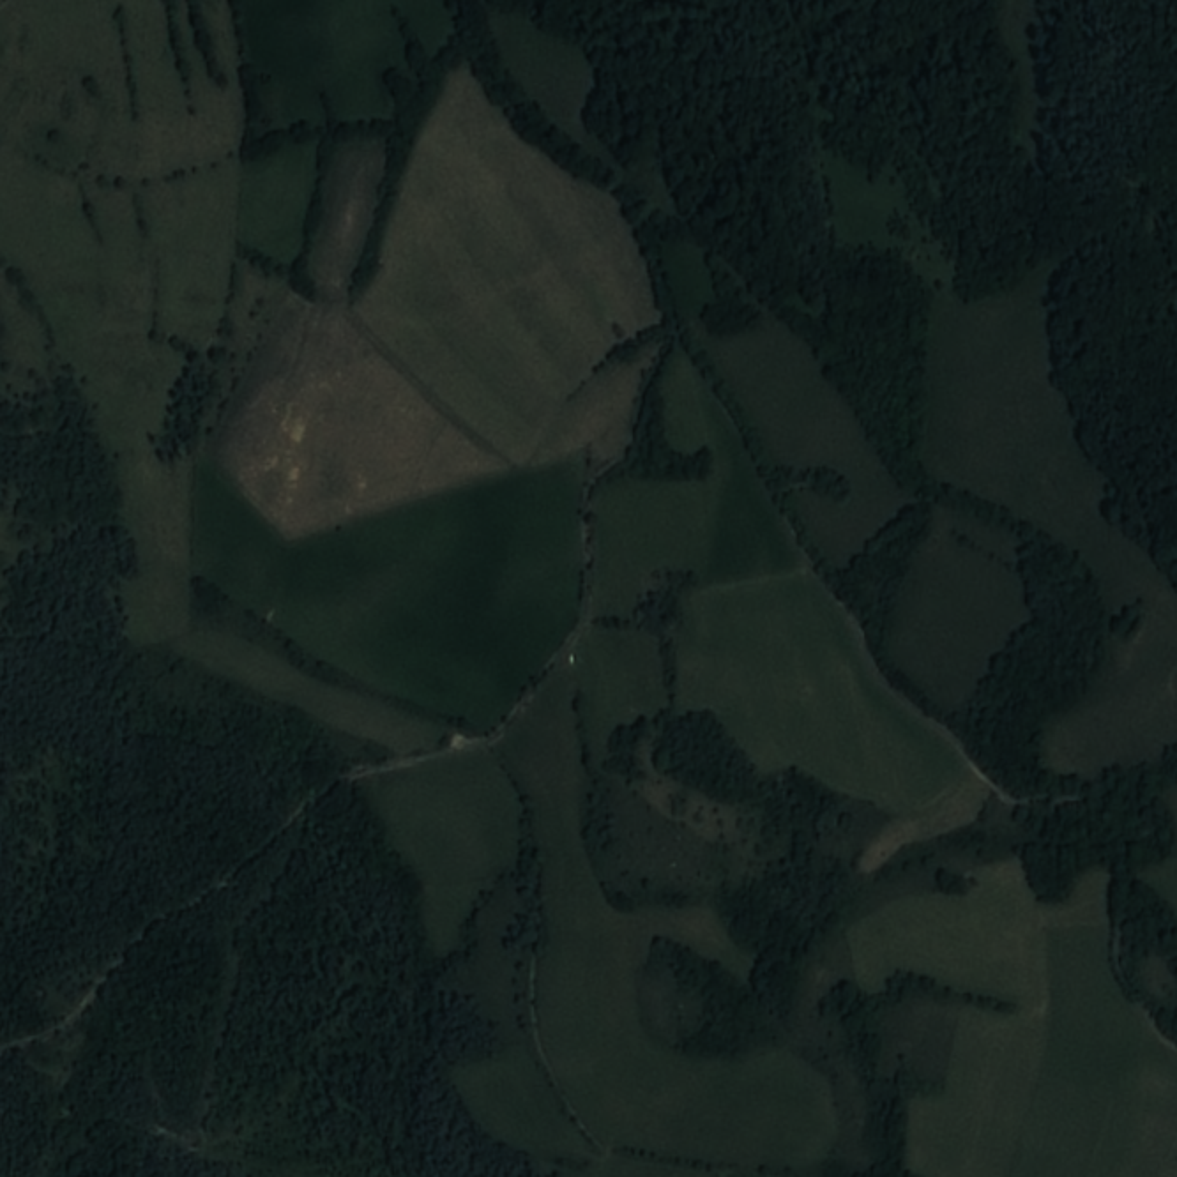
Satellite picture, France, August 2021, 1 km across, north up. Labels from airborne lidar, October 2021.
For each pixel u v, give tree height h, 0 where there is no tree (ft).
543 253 0
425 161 0
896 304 40
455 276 0
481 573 0
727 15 68
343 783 37
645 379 32
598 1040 0
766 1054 0
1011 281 40
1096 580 42
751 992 21
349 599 0
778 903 43
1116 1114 0
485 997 0
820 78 91
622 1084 0
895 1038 0
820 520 0
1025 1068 0
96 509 31
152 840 67
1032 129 0
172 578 0
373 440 0
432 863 0
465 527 0
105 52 0
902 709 0
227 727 37
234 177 0
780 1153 0
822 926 37
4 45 0
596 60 65
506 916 0
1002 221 93
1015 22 0
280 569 0
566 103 0
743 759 36
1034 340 0
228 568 0
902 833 0
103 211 0
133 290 0
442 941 0
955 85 82
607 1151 0
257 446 0
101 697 32
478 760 0
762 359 0
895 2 81
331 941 47
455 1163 33
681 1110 0
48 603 35
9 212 0
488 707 0
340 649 0
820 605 0
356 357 0
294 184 0
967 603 0
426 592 0
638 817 0
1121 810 38
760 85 75
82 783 37
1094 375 51
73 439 36
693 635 0
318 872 39
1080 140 104
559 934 0
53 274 0
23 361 0
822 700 0
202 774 57
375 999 28
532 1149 0
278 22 0
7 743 52
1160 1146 0
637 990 0
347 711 0
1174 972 18
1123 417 72
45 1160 46
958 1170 0
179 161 0
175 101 0
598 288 0
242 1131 27
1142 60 94
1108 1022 0
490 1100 0
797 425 0
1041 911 0
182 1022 24
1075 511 0
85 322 0
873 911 0
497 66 65
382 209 24
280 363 0
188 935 56
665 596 21
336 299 0
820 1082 0
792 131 61
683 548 0
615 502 0
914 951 0
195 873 49
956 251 36
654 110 51
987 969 0
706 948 0
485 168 0
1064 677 43
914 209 22
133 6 0
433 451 0
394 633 0
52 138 23
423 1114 43
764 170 66
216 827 54
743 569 0
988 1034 0
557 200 0
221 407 26
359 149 0
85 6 0
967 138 77
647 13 131
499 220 0
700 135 84
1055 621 54
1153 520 67
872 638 29
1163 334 78
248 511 0
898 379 48
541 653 0
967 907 0
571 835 0
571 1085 0
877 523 0
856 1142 0
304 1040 44
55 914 43
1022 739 51
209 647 0
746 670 0
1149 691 0
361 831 31
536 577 0
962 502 41
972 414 0
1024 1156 0
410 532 0
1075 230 85
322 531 0
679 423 0
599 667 0
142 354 0
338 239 0
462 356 0
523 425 0
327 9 0
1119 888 53
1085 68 113
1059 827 48
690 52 82
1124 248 98
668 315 38
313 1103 29
